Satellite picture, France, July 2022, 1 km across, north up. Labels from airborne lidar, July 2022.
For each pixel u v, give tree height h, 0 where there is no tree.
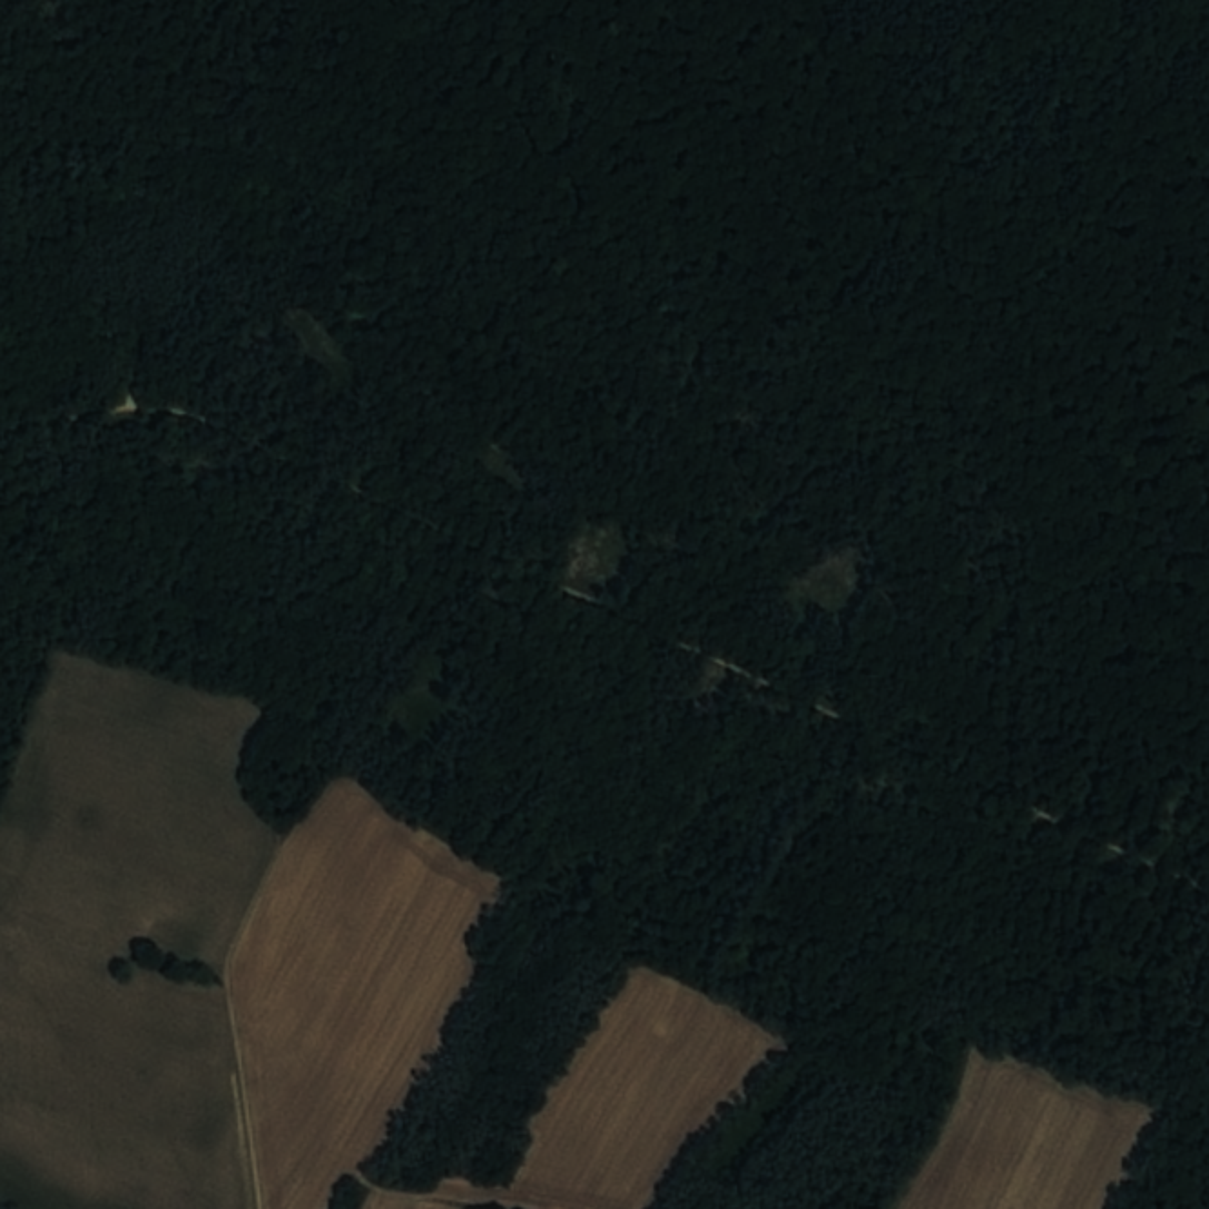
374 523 21
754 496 18
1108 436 26
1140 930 26
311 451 15
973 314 24
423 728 0
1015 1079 0
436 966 0
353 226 21
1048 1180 0
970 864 28
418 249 23
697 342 24
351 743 18
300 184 23
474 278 24
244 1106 0
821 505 27
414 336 29
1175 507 23
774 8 28
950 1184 0
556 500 25
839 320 28
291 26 20
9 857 0
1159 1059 24
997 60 24
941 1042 27
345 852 0
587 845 24
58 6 17
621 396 24
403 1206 0
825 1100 22
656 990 0
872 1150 30
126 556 19
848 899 20
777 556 22
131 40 22
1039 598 22
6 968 0
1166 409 23
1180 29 23
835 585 0
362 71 26
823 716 18
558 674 21
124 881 0
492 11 24
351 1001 0
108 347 22
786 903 24
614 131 27
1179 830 14
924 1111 26
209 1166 0
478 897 0
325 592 16
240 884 0
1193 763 31
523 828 23
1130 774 26
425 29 27
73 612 10
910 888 23
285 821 17
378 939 0
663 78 31
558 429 20
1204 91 24
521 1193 0
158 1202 0
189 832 0
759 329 24
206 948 0
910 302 23
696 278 26
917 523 26
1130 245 31
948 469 25
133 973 17
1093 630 27
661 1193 14
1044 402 29
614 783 20
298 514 19
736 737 22
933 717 22
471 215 26
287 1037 0
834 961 25
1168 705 25
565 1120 0
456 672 20
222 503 25
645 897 21
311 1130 0
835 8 23
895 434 24
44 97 22
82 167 30
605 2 31
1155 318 30
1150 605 31
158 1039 0
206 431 16
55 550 11
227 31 25
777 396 27
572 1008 26
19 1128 0
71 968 0
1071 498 25
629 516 18
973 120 23
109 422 13
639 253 16
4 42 23
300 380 20
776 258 29
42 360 23
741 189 28
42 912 0
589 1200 0
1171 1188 32
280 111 20
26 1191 0
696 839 17
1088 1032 35
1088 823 19
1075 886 24
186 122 17
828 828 23
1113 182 27
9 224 24
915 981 17
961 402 25
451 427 23
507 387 21
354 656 21
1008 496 28
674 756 23
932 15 26
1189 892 19
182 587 16
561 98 31
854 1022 23
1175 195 27
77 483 22
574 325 25
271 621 21
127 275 19
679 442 26
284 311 16
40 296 19
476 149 24
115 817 0
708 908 22
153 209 20
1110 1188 0
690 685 22
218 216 20
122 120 18
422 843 0
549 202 29
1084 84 26
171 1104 0
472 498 19
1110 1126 0
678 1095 0
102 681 0
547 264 23
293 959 0
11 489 23
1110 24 23
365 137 24
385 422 26
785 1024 21
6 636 18
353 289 18
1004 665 21
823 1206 14
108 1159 0
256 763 18
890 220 27
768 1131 10
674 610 18
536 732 23
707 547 21
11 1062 0
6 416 20
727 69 28
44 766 0
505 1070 27
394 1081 0
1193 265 31
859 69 29
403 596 22
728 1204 21
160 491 23
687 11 33
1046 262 24
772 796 22
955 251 22
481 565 21
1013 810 30
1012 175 24
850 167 23
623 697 23
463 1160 20
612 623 25
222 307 26
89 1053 0
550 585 20
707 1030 0
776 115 27
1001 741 22
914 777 24
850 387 27
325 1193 0
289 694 20
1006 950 22
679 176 28
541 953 24
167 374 18
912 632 20
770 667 21
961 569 30
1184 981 28
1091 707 29
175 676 17
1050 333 24
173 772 0
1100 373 25
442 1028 0
